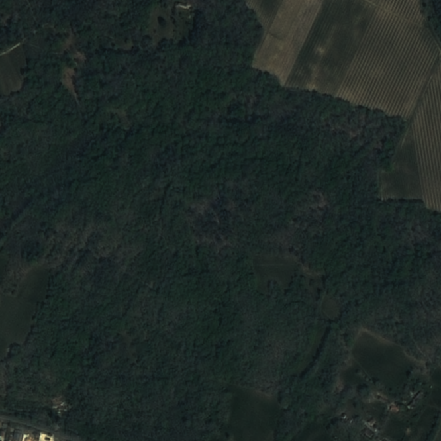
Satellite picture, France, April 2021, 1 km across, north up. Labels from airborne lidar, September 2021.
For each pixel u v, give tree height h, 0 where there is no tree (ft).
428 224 54
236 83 91
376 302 88
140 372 39
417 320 71
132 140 109
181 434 84
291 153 48
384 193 0
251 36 79
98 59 85
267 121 72
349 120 39
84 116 84
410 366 0
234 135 98
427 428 0
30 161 64
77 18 104
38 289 0
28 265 39
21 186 85
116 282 61
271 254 66
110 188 61
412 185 0
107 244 48
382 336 56
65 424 38
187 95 80
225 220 54
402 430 0
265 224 53
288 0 0
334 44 0
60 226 42
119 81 67
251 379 61
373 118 57
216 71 71
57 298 49
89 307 64
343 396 53
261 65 0
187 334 69
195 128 64
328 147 76
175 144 49
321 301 49
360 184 71
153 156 66
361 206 60
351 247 68
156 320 41
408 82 0
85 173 58
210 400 44
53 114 82
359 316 69
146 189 38
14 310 0
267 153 62
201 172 72
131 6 82
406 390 31
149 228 30
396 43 0
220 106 88
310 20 0
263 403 0
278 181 60
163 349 39
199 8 62
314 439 0
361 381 0
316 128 70
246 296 71
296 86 0
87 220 60
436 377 0
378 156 51
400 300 75
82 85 86
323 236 55
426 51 0
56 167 82
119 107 100
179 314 60
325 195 65
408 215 65
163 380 53
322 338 0
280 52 0
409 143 0
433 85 0
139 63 78
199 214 48
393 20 0
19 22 37
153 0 80
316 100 65
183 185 71
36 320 42
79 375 104
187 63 90
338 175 83
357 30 0
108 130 88
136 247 57
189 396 49
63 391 70
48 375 73
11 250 34
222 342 49
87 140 101
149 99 100
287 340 63
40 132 78
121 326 60
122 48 0
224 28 76
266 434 0
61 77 79
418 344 59
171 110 68
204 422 47
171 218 52
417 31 0
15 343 0
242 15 64
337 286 78
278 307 67
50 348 58
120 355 42
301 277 31
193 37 62
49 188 100
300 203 44
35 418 75
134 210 38
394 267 62
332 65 0
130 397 90
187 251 71
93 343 83
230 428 0
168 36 0
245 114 75
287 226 57
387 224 60
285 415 77
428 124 0
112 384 82
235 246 64
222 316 79
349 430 55
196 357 49
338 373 32
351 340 52
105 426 25
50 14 46
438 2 58
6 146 83
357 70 0
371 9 0
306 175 63
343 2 0
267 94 91
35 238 21
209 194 55
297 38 0
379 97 0
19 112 45
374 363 0
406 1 0
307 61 0
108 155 83
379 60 0
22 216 63
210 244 43
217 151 89
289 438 69
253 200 62
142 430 77
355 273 87
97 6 98
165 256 41
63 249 43
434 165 0
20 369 78
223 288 72
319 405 80
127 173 67
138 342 21
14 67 0
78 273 62
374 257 64
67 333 96
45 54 55
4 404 20
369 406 0
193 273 76
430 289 61
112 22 83
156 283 32
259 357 70
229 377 86
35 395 77
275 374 51
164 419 81
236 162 78
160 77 85
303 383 66
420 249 73
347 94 0
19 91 0
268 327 60
